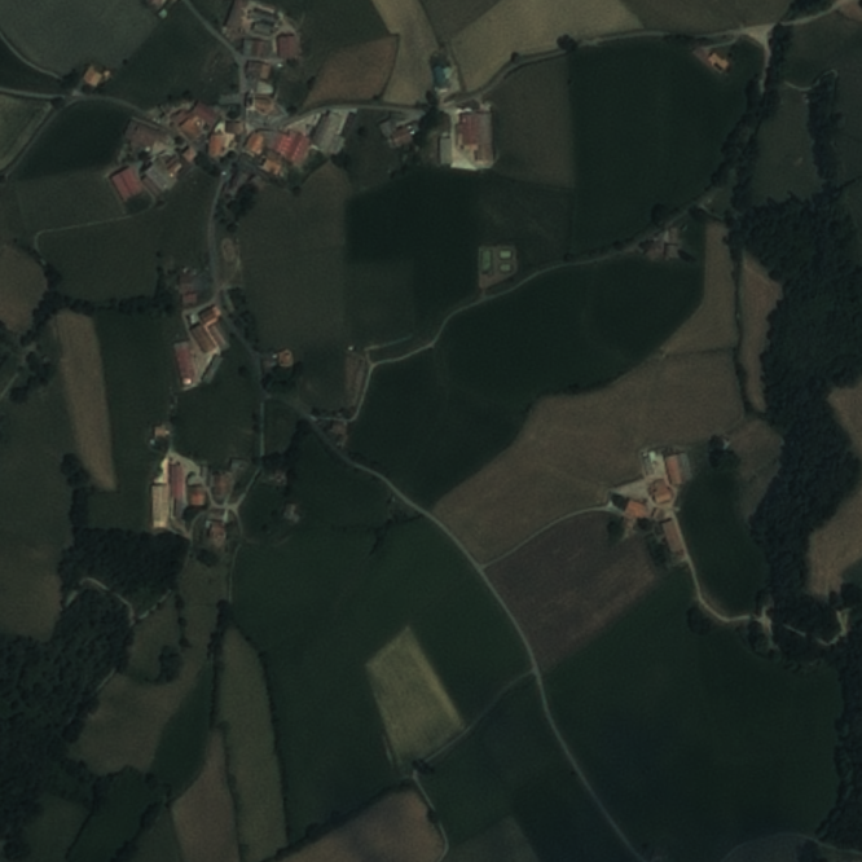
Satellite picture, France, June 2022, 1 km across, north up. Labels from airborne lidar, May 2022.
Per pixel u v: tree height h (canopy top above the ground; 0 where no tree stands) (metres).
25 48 0
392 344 0
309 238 0
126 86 0
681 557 0
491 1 0
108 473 0
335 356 0
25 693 13
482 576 0
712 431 0
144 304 14
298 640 0
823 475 28
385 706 0
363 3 0
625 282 0
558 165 0
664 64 0
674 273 0
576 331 0
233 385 0
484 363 0
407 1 0
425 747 0
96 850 0
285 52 0
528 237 0
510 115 0
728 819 0
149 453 0
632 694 0
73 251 0
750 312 0
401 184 0
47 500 0
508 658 0
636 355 0
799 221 11
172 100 9
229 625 10
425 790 0
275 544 0
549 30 0
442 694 0
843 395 0
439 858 0
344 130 0
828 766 0
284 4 0
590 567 0
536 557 0
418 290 0
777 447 0
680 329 0
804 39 0
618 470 0
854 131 0
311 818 0
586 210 0
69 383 0
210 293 0
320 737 0
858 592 17
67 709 9
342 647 0
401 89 0
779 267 9
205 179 0
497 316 0
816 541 0
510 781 0
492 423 0
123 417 0
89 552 13
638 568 0
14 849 21
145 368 0
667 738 0
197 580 0
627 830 0
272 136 0
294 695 0
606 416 0
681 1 0
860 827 22
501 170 0
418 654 0
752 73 0
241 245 0
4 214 0
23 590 0
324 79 0
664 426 0
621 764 0
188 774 0
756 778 0
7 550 0
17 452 0
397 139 0
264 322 0
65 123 0
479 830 0
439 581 0
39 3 0
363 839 0
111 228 0
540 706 0
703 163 0
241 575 0
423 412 0
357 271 0
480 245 0
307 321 0
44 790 18
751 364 0
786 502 28
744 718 0
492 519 0
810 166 0
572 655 0
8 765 14
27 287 0
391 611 0
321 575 0
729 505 0
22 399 13
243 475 0
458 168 0
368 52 0
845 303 6
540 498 0
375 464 8
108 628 12
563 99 0
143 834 6
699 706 0
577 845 0
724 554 0
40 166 0
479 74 0
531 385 0
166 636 0
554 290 0
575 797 0
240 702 0
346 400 0
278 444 0
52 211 0
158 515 0
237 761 0
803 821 0
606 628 0
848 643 17
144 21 0
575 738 0
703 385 0
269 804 0
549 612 0
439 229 0
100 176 0
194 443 0
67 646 10
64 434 0
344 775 0
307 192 0
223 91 0
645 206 0
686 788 0
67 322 0
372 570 0
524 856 0
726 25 0
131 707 0
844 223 23
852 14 0
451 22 0
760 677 0
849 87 0
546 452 0
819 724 0
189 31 0
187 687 0
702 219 24
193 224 0
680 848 0
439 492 0
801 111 0
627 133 0
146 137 0
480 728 0
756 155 16
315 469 0
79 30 0
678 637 0
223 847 0
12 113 0
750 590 0
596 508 0
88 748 0
